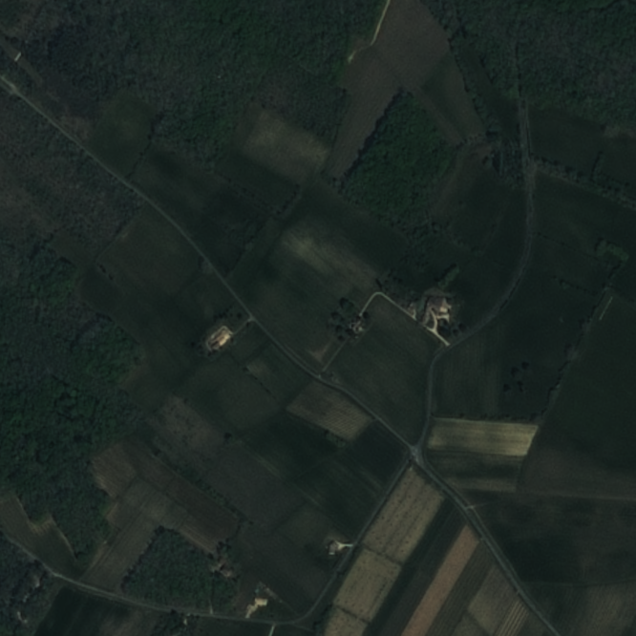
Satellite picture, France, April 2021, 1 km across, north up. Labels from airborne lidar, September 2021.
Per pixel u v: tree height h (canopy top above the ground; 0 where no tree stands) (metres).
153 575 18
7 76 11
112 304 0
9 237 9
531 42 19
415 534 0
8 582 23
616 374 0
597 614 0
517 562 0
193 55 21
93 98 13
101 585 0
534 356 0
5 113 8
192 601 19
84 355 26
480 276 0
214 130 22
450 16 18
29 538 0
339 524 0
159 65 18
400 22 0
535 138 0
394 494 0
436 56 0
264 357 0
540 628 0
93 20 15
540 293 0
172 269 0
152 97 20
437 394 0
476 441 0
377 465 0
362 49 0
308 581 0
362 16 18
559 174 13
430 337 0
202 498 0
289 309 0
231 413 0
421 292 0
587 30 19
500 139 19
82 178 9
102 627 0
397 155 19
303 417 0
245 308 0
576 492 0
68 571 0
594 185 14
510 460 0
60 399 22
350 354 0
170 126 20
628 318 0
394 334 0
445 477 0
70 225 9
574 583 0
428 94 0
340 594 0
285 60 12
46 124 9
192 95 19
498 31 20
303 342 0
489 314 0
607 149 0
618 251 12
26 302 9
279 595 0
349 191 17
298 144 0
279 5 21
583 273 0
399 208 17
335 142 6
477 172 0
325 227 0
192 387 0
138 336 0
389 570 0
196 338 0
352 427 0
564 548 0
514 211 0
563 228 0
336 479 0
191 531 0
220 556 14
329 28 21
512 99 20
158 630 7
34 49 13
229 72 20
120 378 19
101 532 16
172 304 0
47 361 19
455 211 0
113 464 0
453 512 0
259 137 0
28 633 19
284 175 0
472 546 0
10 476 20
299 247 0
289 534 0
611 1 16
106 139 0
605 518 0
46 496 22
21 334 19
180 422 0
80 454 22
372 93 0
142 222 0
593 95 21
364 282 0
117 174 0
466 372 0
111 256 0
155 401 0
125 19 16
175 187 0
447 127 0
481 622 0
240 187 7
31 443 24
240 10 25
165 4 20
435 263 0
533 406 0
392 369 0
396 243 0
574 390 0
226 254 0
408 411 0
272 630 0
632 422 0
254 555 0
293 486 0
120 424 16
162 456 11
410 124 22
